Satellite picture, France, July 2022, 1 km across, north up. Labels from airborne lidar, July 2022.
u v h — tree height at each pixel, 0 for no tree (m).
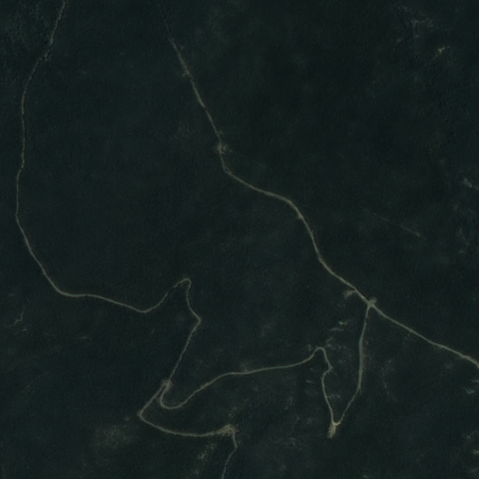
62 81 7
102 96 6
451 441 6
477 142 6
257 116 7
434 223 6
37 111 6
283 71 6
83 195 6
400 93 6
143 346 7
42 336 6
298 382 6
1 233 6
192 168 7
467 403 6
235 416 7
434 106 11
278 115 7
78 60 7
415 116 7
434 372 5
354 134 7
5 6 8
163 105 6
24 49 8
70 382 6
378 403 5
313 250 5
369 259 6
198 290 5
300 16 7
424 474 6
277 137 6
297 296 8
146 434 6
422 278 8
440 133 6
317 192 6
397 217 6
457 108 10
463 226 9
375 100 6
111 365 7
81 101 6
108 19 6
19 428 5
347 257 6
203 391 6
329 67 7
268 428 7
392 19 6
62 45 6
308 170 6
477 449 0
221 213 6
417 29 6
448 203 6
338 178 6
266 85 7
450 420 7
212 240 8
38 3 9
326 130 6
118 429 0
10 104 7
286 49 6
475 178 6
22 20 9
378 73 6
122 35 6
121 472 7
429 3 6
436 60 9
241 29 6
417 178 7
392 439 6
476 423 7
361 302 6
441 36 8
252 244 5
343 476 6
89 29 7
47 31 7
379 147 7
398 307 6
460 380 6
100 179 6
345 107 7
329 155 6
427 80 13
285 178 6
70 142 6
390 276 7
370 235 6
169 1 8
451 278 6
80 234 6
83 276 5
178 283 6
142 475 6
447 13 8
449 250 6
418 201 8
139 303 6
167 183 9
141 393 6
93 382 5
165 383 0
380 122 8
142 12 6
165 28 6
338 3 6
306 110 6
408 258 5
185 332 6
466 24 6
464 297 6
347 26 6
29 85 6
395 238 6
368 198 7
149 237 8
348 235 8
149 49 8
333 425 0
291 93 7
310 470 6
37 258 6
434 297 6
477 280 7
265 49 6
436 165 8
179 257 8
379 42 7
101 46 7
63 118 7
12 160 6
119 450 6
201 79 6
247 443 6
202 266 7
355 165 6
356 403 6
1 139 6
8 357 5
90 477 6
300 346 6
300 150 5
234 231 6
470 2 6
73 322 6
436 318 6
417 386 6
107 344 7
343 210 6
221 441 10
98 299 7
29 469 6
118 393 5
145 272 6
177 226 6
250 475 5
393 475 6
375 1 8
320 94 7
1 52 6
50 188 6
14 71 8
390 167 6
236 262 8
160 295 8
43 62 6
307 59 7
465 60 7
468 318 6
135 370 8
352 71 8
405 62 7
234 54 5
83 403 6
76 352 6
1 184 7
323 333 7
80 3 6
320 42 9
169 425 6
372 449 6
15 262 6
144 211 6
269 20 7
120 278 7
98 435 0
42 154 6
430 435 6
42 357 7
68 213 6
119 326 7
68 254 6
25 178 6
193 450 6
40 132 6
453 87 9
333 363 6
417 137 7
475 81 6
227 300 5
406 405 6
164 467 5
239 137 6
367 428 6
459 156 7
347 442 6
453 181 6
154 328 7
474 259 6
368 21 9
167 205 7
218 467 7
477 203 6
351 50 7
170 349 6
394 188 6
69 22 6
